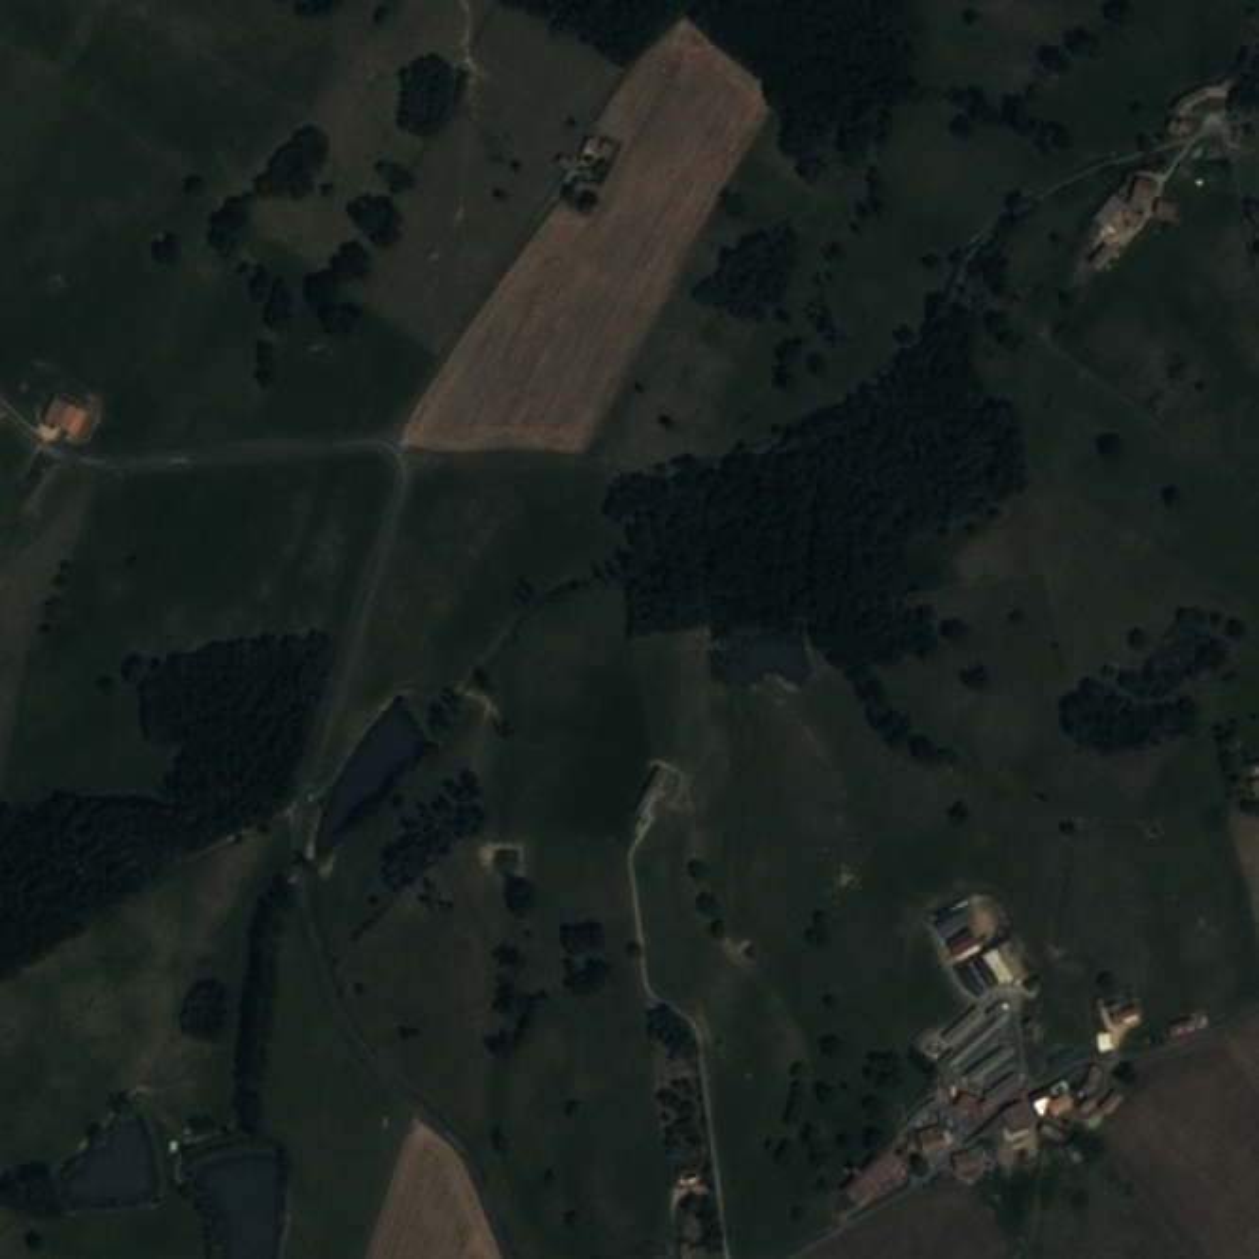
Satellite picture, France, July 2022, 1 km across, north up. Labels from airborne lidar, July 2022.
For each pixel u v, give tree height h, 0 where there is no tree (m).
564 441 0
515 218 0
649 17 18
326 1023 0
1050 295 0
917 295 0
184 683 15
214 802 11
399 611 0
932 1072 10
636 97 0
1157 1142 0
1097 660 0
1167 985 0
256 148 0
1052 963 0
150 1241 0
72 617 0
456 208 0
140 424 0
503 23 0
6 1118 0
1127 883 0
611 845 0
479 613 0
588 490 0
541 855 0
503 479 0
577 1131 0
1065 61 23
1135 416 0
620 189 0
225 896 0
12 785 0
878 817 0
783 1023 0
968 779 0
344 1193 0
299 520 0
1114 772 0
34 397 0
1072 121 0
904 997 0
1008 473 17
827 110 25
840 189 0
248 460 0
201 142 0
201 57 0
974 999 0
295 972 0
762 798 0
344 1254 0
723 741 0
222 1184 0
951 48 0
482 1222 0
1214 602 0
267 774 22
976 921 0
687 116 0
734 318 12
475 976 0
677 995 0
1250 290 0
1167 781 0
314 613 0
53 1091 0
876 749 0
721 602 13
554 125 0
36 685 0
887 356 0
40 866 25
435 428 0
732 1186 0
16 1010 0
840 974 0
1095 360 0
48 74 0
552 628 0
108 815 20
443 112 21
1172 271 0
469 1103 0
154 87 0
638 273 0
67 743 0
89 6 0
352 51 0
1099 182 0
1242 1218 0
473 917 0
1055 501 0
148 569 0
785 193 0
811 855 0
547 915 0
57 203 0
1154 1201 0
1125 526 0
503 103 0
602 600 0
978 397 17
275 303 20
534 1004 14
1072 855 0
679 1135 11
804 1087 10
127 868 13
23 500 0
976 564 0
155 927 0
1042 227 0
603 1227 0
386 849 0
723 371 0
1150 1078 0
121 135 0
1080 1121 0
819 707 0
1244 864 0
